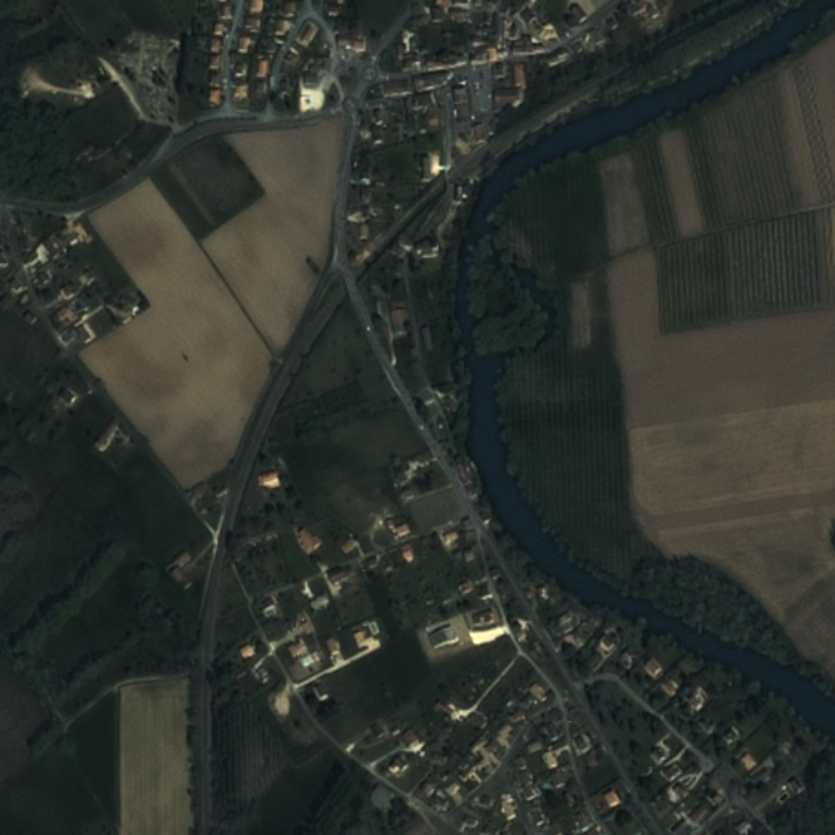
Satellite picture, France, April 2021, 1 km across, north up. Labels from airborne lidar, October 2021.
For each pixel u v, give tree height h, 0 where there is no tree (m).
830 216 0
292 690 0
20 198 17
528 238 18
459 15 0
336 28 6
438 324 8
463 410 10
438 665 0
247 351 0
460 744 0
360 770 15
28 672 19
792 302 7
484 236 7
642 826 14
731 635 20
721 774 0
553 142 0
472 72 0
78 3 0
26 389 0
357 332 7
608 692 13
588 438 15
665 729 21
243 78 6
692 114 7
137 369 0
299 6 0
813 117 0
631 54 14
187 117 0
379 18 0
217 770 17
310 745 0
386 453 0
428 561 0
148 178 0
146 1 0
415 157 8
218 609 0
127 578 0
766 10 25
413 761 13
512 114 14
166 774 0
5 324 0
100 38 0
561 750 0
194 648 16
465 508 0
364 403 6
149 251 0
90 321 0
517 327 17
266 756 27
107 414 0
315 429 12
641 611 0
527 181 11
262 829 0
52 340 0
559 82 28
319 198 0
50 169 24
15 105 14
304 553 0
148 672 12
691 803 0
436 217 0
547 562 0
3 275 0
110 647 0
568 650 15
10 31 16
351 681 0
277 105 18
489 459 0
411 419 0
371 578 7
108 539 9
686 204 0
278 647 0
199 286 0
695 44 30
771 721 24
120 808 0
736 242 6
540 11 7
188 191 0
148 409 0
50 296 10
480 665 0
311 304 0
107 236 0
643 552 18
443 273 7
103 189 0
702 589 22
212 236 0
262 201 0
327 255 0
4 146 26
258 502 0
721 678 0
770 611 0
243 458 0
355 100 0
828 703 0
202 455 0
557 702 0
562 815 8
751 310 6
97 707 0
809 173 0
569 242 11
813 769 0
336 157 0
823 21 12
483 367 0
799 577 0
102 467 0
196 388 0
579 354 14
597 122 0
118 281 0
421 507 0
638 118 0
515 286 14
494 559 0
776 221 7
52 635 21
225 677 14
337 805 25
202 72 7
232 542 15
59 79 0
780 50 0
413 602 9
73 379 9
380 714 0
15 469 0
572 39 0
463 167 0
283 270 0
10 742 0
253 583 8
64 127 7
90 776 0
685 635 0
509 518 0
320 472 0
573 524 19
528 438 21
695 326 0
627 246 0
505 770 0
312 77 0
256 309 0
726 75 0
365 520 0
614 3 0
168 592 0
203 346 0
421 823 0
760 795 15
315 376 0
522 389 19
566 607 8
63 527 0
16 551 15
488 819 10
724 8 9
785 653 18
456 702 0
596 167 14
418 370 13
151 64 0
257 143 0
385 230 8
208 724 0
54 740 22
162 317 0
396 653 0
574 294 0
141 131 14
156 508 0
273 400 0
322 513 0
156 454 0
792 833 23
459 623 0
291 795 0
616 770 0
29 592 0
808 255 8
